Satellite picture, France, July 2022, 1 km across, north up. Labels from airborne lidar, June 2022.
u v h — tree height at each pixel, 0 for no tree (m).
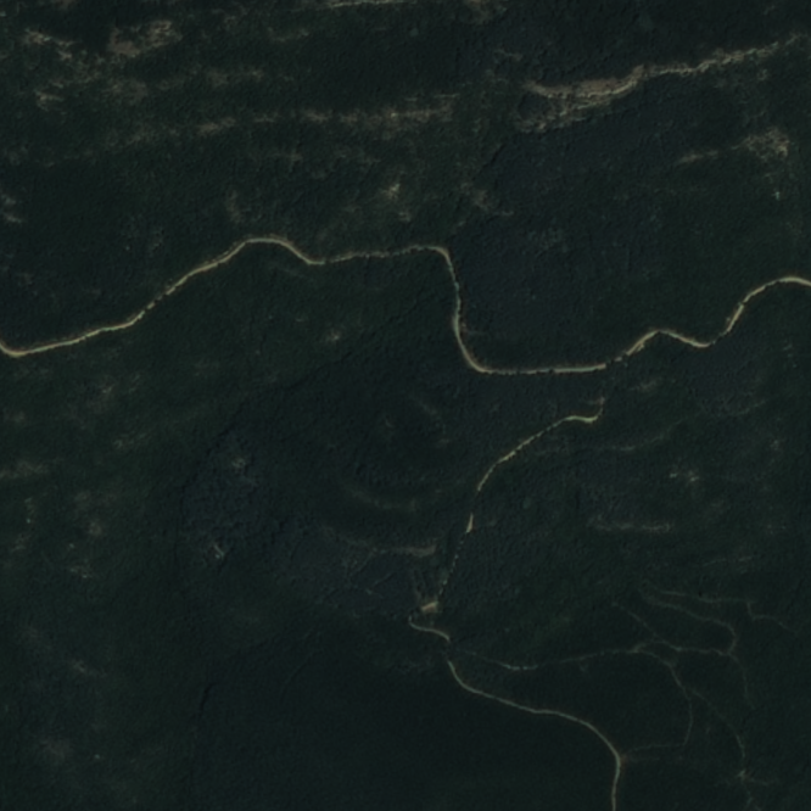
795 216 6
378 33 10
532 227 16
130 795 6
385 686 7
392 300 8
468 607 16
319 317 9
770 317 9
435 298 12
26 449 7
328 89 12
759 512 6
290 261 7
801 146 6
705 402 11
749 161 9
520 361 13
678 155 13
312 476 7
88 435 7
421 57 12
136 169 12
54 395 9
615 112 11
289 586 6
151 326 9
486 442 11
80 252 10
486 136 9
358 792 6
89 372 7
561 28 11
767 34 6
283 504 8
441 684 7
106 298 12
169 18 7
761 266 8
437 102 7
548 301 15
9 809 10
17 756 12
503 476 7
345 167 11
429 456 8
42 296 9
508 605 9
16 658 10
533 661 6
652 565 6
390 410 9
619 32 9
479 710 8
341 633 9
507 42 14
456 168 8
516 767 6
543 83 8
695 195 6
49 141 8
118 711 9
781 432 8
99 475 6
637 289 8
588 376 7
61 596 6
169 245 7
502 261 15
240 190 9
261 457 8
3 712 10
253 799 7
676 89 16
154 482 8
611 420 8
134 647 8
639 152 13
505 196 7
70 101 8
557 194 11
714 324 8
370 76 13
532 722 7
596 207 14
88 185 16
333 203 9
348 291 9
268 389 7
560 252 16
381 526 11
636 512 8
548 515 15
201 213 9
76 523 6
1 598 7
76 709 7
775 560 8
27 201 10
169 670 11
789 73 6
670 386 7
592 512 11
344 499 8
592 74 9
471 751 6
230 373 7
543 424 7
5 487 7
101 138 6
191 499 17
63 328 9
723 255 7
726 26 8
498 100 8
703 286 7
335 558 9
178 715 9
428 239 6
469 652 12
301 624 7
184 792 10
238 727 11
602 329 10
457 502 14
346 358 10
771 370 7
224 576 9
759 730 9
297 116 8
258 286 10
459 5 7
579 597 8
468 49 16
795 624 12
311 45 8
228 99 6
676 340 10
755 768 7
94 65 6
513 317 14
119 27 9
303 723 7
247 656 9
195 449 8
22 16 7
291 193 10
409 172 7
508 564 13
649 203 14
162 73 12
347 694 6
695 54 7
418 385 7
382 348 6
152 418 6
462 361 7
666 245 11
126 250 9
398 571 11
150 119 7
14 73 7
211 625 7
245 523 12
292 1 7
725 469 7
